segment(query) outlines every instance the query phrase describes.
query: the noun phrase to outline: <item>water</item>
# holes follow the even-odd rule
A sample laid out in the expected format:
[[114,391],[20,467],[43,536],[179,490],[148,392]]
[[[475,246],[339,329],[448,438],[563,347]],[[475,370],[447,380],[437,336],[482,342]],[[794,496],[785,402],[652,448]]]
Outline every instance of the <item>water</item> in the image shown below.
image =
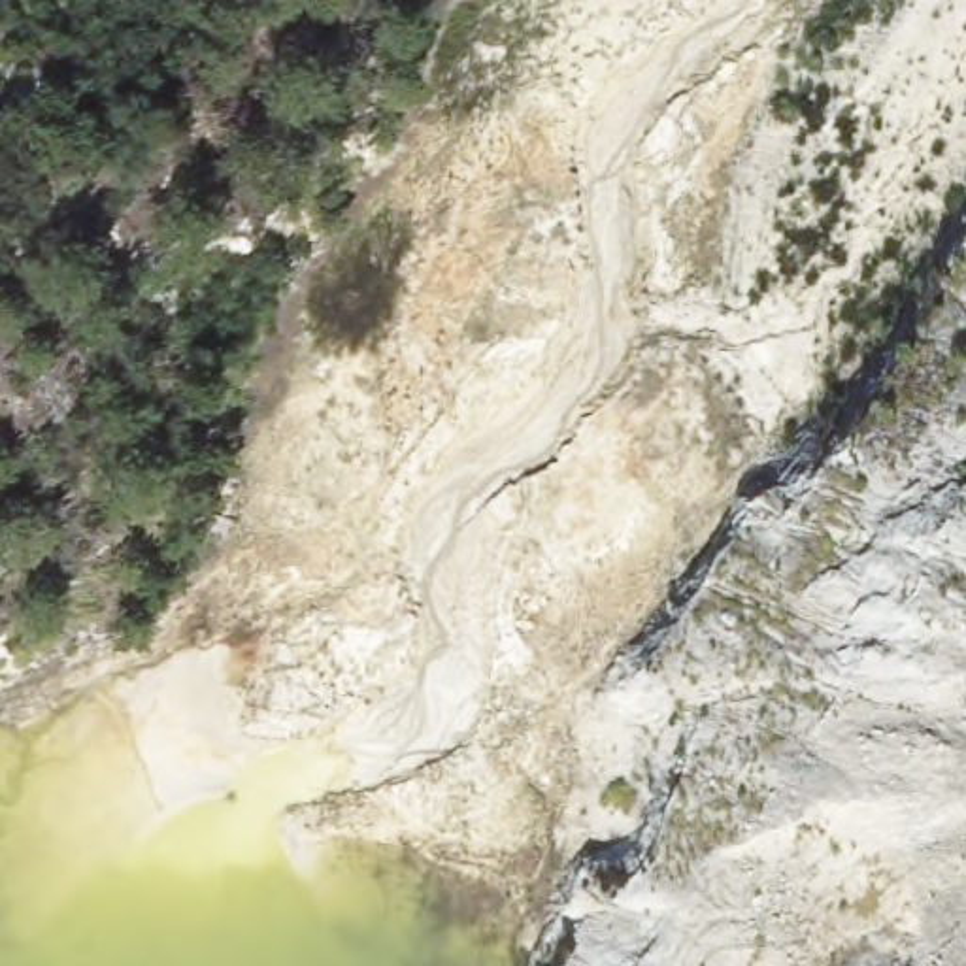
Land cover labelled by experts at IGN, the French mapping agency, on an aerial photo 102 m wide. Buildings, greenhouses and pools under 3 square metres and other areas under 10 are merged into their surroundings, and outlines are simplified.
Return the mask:
[[506,898],[479,879],[464,879],[457,872],[430,864],[411,845],[332,838],[313,849],[309,860],[291,860],[283,845],[283,815],[294,808],[309,808],[328,789],[358,785],[347,770],[355,732],[347,721],[336,721],[321,736],[306,736],[298,743],[253,755],[242,770],[234,770],[219,796],[192,800],[166,819],[155,811],[147,796],[143,766],[136,762],[113,713],[87,687],[57,702],[30,725],[0,725],[0,966],[509,966],[509,955],[521,947],[521,924],[509,913]]

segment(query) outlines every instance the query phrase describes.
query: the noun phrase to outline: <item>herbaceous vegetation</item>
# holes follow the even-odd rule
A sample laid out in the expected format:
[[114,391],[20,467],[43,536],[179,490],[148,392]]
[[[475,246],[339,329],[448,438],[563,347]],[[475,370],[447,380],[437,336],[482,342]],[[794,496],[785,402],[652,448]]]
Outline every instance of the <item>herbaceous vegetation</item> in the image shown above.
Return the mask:
[[491,42],[502,23],[498,15],[483,11],[487,0],[434,0],[434,38],[419,68],[423,75],[415,83],[389,79],[385,87],[374,87],[370,98],[355,94],[351,136],[366,132],[370,143],[381,151],[400,140],[400,128],[411,121],[468,121],[475,109],[491,109],[491,87],[460,91],[464,75],[483,75],[475,45]]
[[226,200],[226,223],[249,219],[253,245],[275,230],[306,238],[309,253],[325,260],[309,279],[313,343],[321,355],[355,355],[370,332],[389,325],[396,313],[396,298],[404,287],[400,260],[411,249],[411,211],[389,208],[362,223],[351,211],[355,192],[343,140],[328,140],[313,151],[298,208],[279,208],[272,196],[260,196],[257,189],[234,189]]
[[253,408],[253,392],[242,389],[242,381],[253,366],[260,366],[249,343],[245,343],[226,355],[226,385],[219,396],[226,411],[245,411]]

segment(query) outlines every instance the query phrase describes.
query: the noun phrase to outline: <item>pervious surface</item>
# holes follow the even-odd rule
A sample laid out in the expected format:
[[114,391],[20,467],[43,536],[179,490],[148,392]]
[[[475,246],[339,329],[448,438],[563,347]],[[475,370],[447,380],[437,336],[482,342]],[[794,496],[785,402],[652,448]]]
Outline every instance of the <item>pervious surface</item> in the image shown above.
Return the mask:
[[68,592],[68,574],[60,562],[45,558],[23,581],[38,596]]
[[400,128],[400,140],[381,151],[370,143],[366,132],[351,136],[343,140],[355,192],[351,211],[362,223],[389,208],[411,211],[411,249],[400,260],[404,287],[396,298],[396,313],[389,325],[370,332],[355,355],[321,355],[313,343],[309,279],[325,260],[309,253],[291,260],[291,275],[275,306],[279,332],[253,336],[249,343],[260,366],[253,366],[242,381],[242,389],[253,392],[253,408],[245,411],[242,453],[242,464],[223,483],[219,517],[208,540],[200,543],[204,566],[192,570],[189,585],[177,596],[170,596],[170,604],[158,611],[147,649],[121,653],[113,649],[113,638],[102,626],[79,626],[68,619],[57,638],[42,641],[34,653],[11,653],[0,638],[0,725],[30,725],[57,702],[87,687],[113,713],[136,762],[143,766],[147,796],[155,811],[166,819],[192,800],[219,796],[234,770],[242,770],[253,755],[298,743],[306,736],[321,736],[336,721],[347,721],[355,732],[347,770],[358,785],[328,789],[309,808],[294,808],[283,815],[283,845],[291,860],[309,860],[313,849],[332,838],[411,845],[430,864],[457,872],[464,879],[479,879],[506,898],[509,913],[521,924],[521,947],[509,955],[509,966],[966,966],[966,0],[868,0],[872,19],[860,23],[853,38],[838,49],[826,49],[823,42],[808,42],[804,30],[826,0],[487,0],[483,11],[498,15],[502,23],[491,42],[475,45],[483,75],[464,75],[460,91],[491,87],[491,109],[475,109],[468,121],[411,121]]

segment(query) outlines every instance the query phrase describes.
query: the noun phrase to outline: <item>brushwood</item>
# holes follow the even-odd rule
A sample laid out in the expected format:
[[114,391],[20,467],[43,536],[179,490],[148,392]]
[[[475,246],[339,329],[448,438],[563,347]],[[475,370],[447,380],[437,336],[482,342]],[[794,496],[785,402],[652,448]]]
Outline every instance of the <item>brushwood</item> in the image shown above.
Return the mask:
[[808,42],[823,42],[826,49],[838,49],[853,38],[860,23],[872,19],[868,0],[826,0],[804,30]]
[[147,649],[158,611],[170,604],[170,596],[177,596],[189,585],[192,570],[204,566],[200,543],[208,540],[219,517],[223,483],[242,464],[242,453],[200,453],[196,460],[158,468],[158,487],[174,487],[170,517],[147,506],[136,517],[109,521],[98,532],[94,547],[68,574],[68,592],[68,619],[79,626],[102,626],[113,638],[113,649],[121,653]]
[[0,487],[15,483],[23,472],[34,472],[42,487],[60,487],[72,498],[91,498],[94,472],[102,472],[113,483],[121,468],[117,441],[106,441],[102,419],[72,415],[72,389],[60,377],[45,370],[30,385],[30,392],[19,396],[8,385],[8,374],[19,370],[19,358],[0,358]]
[[226,223],[226,200],[234,189],[257,189],[260,196],[272,196],[279,208],[298,208],[313,151],[328,140],[343,140],[351,136],[355,94],[370,98],[374,87],[385,87],[389,79],[415,83],[423,75],[419,68],[434,38],[434,0],[328,0],[325,23],[343,23],[355,34],[362,60],[355,60],[351,68],[343,64],[321,72],[317,57],[306,57],[306,64],[294,72],[283,57],[272,53],[272,34],[257,26],[257,0],[0,0],[0,298],[26,328],[26,340],[60,343],[60,321],[53,321],[19,279],[19,272],[30,260],[49,264],[60,257],[64,264],[79,268],[83,279],[102,283],[98,302],[106,309],[125,306],[128,294],[140,291],[143,298],[162,302],[166,313],[181,313],[192,336],[204,328],[219,328],[242,332],[245,343],[249,343],[253,336],[279,332],[275,306],[291,275],[291,260],[309,253],[306,238],[275,230],[253,245],[249,219]]
[[19,608],[0,608],[0,638],[11,653],[34,653],[42,641]]

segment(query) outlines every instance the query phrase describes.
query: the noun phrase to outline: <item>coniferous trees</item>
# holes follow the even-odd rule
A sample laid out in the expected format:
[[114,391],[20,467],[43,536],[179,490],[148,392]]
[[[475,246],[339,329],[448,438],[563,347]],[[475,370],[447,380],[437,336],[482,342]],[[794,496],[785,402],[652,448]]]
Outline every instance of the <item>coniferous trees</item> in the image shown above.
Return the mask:
[[272,53],[283,57],[294,72],[306,64],[306,57],[317,57],[321,72],[343,64],[351,68],[355,60],[362,60],[355,34],[343,23],[325,23],[328,0],[257,0],[257,26],[272,34]]
[[143,298],[140,291],[128,294],[125,306],[106,309],[98,302],[102,283],[83,279],[79,268],[64,264],[60,257],[49,264],[30,260],[19,272],[19,279],[53,321],[60,321],[60,343],[26,340],[26,328],[0,298],[0,358],[19,358],[19,370],[8,374],[8,385],[19,396],[30,392],[30,385],[45,370],[60,377],[72,389],[72,415],[102,419],[106,441],[117,441],[121,468],[113,483],[102,472],[94,472],[91,498],[72,498],[60,487],[42,487],[34,472],[23,472],[15,483],[0,487],[0,608],[19,608],[42,641],[57,638],[68,619],[68,592],[38,596],[23,581],[45,558],[60,562],[68,574],[94,547],[98,532],[109,521],[136,517],[147,506],[170,517],[174,487],[158,487],[158,468],[196,460],[200,453],[242,453],[245,411],[226,411],[219,396],[226,385],[226,355],[245,343],[242,332],[219,328],[204,328],[192,336],[181,313],[166,313],[162,302]]

